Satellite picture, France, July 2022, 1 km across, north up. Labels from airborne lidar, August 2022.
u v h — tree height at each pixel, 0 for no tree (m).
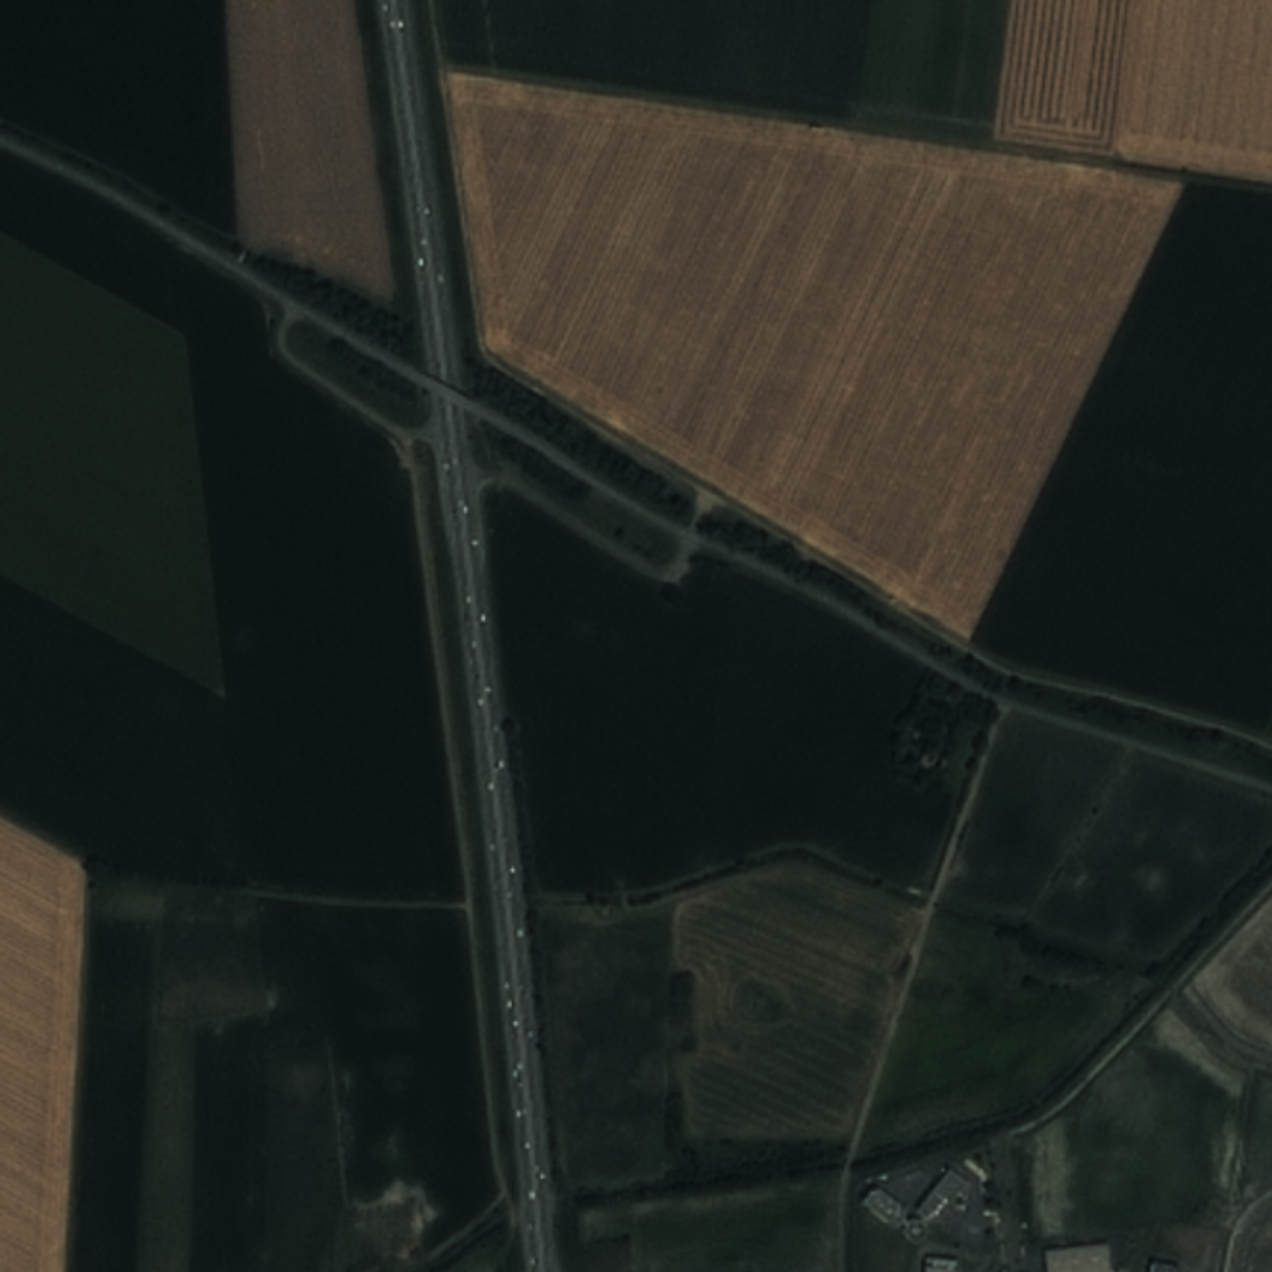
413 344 8
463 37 0
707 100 0
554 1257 0
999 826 0
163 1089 0
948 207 0
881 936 0
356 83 0
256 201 0
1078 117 0
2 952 0
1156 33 0
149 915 0
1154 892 0
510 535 0
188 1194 0
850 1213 0
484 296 0
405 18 0
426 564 0
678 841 0
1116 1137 0
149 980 0
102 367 0
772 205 0
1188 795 0
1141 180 0
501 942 0
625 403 0
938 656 13
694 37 0
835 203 0
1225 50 0
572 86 0
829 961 0
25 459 0
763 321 0
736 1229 0
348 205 0
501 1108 0
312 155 0
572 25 0
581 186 0
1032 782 0
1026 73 0
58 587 0
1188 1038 0
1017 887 0
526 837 7
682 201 0
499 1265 0
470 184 0
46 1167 0
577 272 0
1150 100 0
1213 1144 0
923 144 0
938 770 12
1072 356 0
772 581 0
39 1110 0
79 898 0
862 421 0
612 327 0
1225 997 0
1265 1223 0
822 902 0
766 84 0
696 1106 0
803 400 0
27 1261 0
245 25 0
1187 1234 0
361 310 15
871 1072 0
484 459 0
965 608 0
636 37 0
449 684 0
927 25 0
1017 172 0
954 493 0
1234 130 0
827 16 0
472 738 0
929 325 0
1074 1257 0
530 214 0
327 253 0
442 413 0
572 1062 0
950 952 0
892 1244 0
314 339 0
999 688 9
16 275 0
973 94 0
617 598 0
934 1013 0
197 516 0
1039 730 0
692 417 0
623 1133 0
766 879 0
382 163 0
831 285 0
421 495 0
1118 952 0
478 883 0
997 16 0
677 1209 0
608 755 0
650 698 0
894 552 0
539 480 6
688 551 0
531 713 0
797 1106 0
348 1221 0
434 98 0
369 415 0
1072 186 0
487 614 0
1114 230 0
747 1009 0
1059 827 0
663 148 0
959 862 0
